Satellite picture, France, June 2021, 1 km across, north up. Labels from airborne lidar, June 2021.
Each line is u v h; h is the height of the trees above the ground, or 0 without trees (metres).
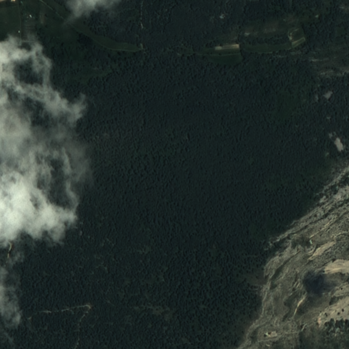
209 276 10
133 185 16
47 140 13
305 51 19
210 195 13
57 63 15
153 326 8
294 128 7
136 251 5
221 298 11
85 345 10
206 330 12
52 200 10
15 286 8
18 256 13
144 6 7
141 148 11
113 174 8
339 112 10
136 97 16
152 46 11
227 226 12
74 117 16
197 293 5
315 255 0
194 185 13
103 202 8
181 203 11
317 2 12
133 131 14
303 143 10
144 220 10
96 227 9
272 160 11
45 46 21
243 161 12
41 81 11
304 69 18
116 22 12
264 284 0
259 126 11
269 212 9
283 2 16
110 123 13
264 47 0
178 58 15
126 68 13
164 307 8
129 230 11
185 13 16
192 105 12
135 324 8
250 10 13
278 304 0
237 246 12
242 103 12
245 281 9
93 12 13
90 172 6
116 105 17
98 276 9
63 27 0
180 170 13
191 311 10
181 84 18
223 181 11
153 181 16
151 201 15
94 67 11
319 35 10
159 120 6
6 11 0
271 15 9
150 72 14
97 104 16
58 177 10
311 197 9
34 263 13
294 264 0
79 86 13
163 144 11
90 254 9
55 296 11
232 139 11
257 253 15
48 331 9
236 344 8
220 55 10
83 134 11
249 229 9
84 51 6
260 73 12
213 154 11
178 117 14
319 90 12
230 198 13
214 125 12
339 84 11
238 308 9
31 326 9
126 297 10
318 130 10
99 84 14
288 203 10
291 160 10
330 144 11
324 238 0
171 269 12
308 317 0
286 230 6
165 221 15
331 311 0
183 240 7
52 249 11
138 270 12
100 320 10
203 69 14
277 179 7
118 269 9
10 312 13
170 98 11
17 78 14
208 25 12
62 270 10
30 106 15
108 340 12
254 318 0
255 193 12
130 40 17
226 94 8
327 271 0
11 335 11
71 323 14
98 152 8
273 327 0
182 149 10
